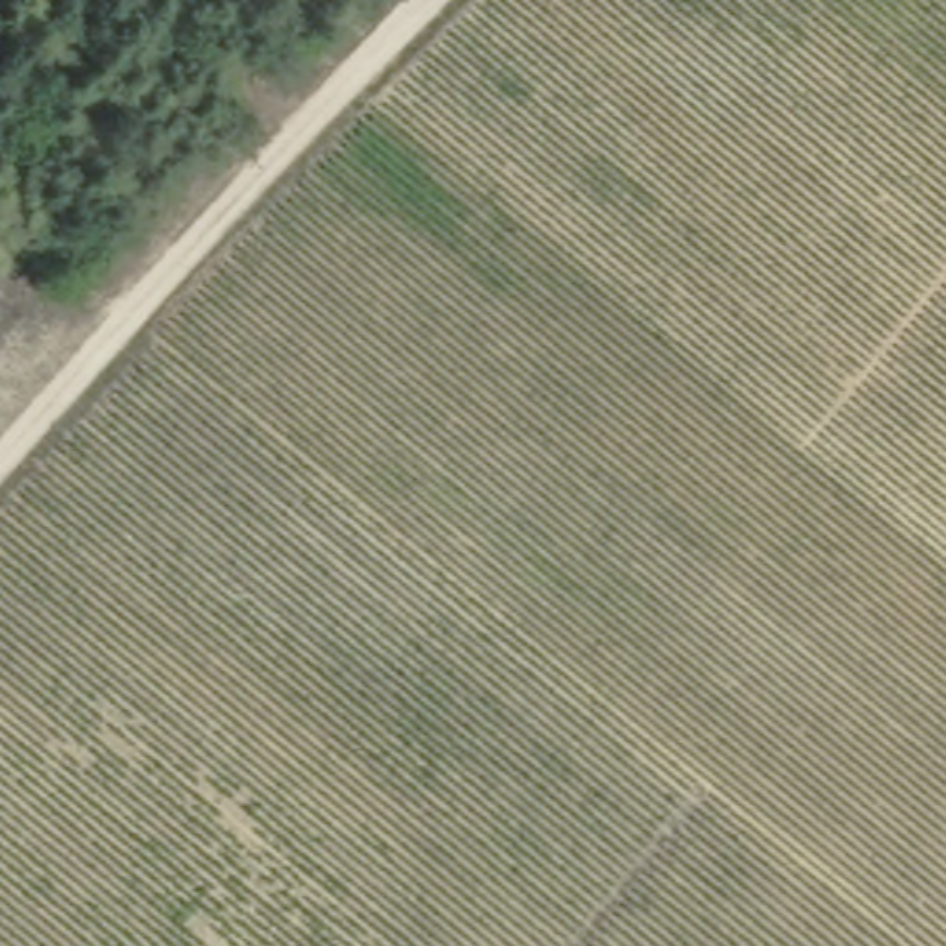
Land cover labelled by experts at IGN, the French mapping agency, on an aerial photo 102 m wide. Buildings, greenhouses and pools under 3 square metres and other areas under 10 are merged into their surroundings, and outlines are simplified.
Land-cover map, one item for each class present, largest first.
<instances>
[{"label":"vineyard","instance_id":"1","mask_svg":"<svg viewBox=\"0 0 946 946\"><path fill-rule=\"evenodd\" d=\"M436 18H429L395 52V59H388L384 70L373 81H366L358 96L292 159V166L270 181V188L211 244V251L174 285V292L148 314V321L129 336V344L92 377V384L63 410V418H55L52 429L26 451V458L0 480V946H946V0H436Z\"/></svg>","mask_w":946,"mask_h":946},{"label":"coniferous trees","instance_id":"2","mask_svg":"<svg viewBox=\"0 0 946 946\"><path fill-rule=\"evenodd\" d=\"M347 0H0V277L18 270V277H26L37 288L70 270L115 262V233L133 229L126 214H133V207L152 188L163 185L166 174L188 163L196 129L225 144L222 122L225 111L240 100V89L251 78H270L277 85L288 74V63H303V41L333 33V15Z\"/></svg>","mask_w":946,"mask_h":946},{"label":"herbaceous vegetation","instance_id":"3","mask_svg":"<svg viewBox=\"0 0 946 946\"><path fill-rule=\"evenodd\" d=\"M395 0H347L333 15V33L303 41V63H288V74L277 85L270 78H251L240 89V100L225 111L222 122L225 144L196 129L188 163L166 174L163 185L152 188L133 207V214H126L133 229L115 233V262L70 270L37 288L26 277H18V270L0 277V436L26 414V406L44 392V384L81 351L89 333L100 325L103 307L115 296H122V288L133 285L140 273H148L163 248L185 237V229L222 196L233 174L259 155L262 144H270V137L281 133V126L299 111V103L377 30V22L388 15Z\"/></svg>","mask_w":946,"mask_h":946},{"label":"pervious surface","instance_id":"4","mask_svg":"<svg viewBox=\"0 0 946 946\"><path fill-rule=\"evenodd\" d=\"M436 0H395L388 15L377 22V30L299 103V111L281 126V133L270 137V144H262L259 155L233 174L222 196L185 229V237L163 248L148 273H140L133 285L122 288V296H115L103 307L100 325L89 333L81 351L44 384V392L26 406V414L0 436V480L26 458V451L52 429L55 418H63V410L92 384V377L129 344V336L148 321V314L174 292V285L211 251V244L270 188V181L292 166V159L358 96L366 81H373L384 70L388 59H395V52L429 18H436Z\"/></svg>","mask_w":946,"mask_h":946}]
</instances>
